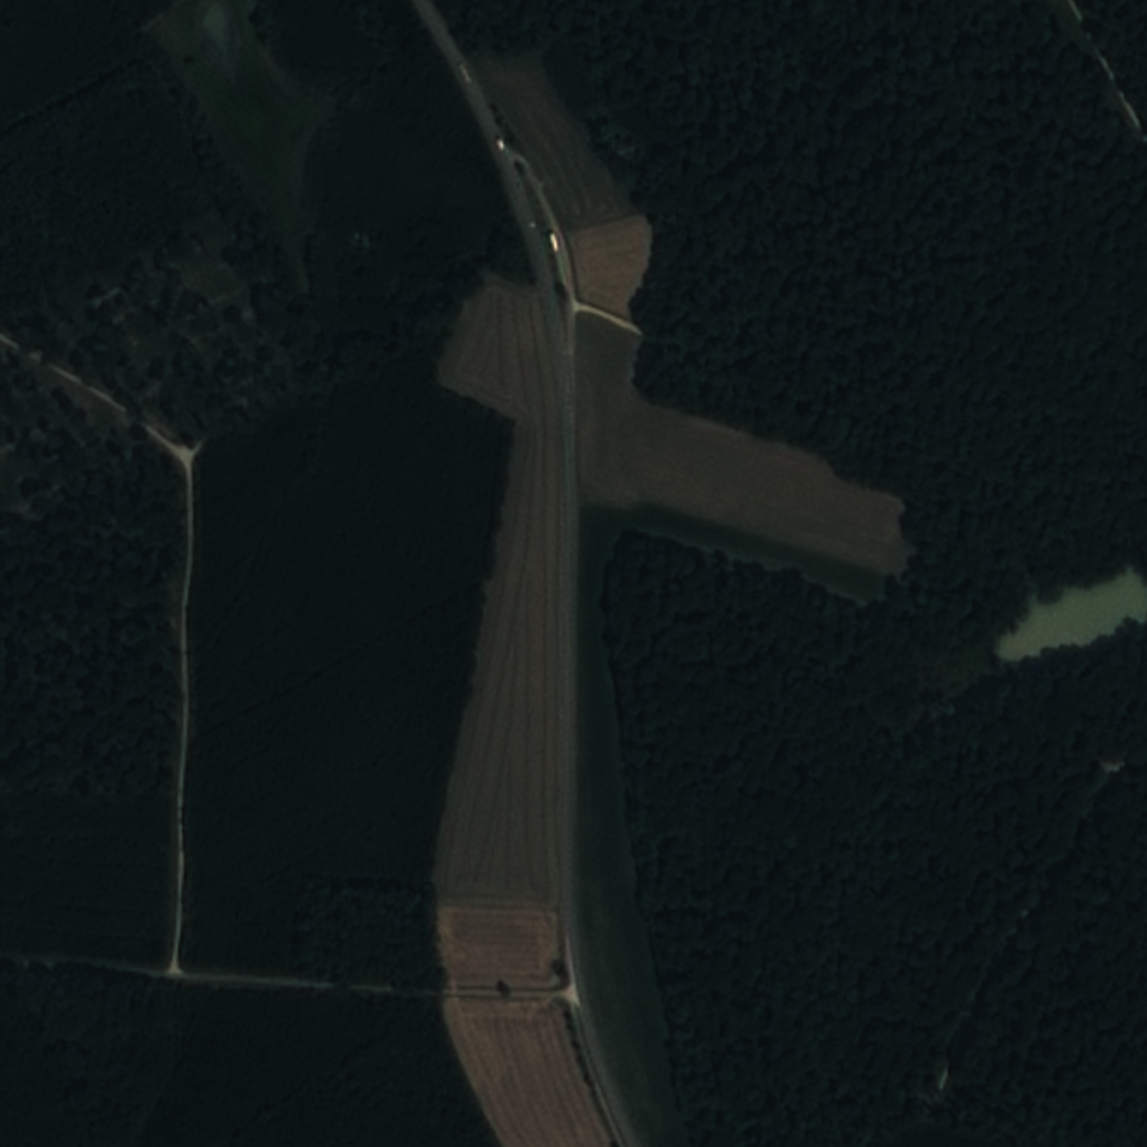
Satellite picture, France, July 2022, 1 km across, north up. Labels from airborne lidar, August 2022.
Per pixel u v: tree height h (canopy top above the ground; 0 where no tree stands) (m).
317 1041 7
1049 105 26
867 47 32
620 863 0
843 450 22
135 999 31
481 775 0
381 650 8
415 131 6
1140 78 21
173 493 28
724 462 0
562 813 0
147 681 27
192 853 8
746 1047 25
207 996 6
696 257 27
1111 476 20
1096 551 24
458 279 25
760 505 0
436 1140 12
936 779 25
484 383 0
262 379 0
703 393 24
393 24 22
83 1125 13
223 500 6
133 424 0
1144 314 26
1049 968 27
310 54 7
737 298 27
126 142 17
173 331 0
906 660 21
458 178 7
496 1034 0
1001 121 31
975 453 27
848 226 10
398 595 7
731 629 31
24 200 14
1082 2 26
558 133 0
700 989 32
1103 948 26
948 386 30
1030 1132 23
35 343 0
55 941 6
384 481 7
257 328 0
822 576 0
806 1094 28
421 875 9
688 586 32
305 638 6
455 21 7
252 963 9
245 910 8
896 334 27
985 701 25
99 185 16
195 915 6
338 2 7
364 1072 8
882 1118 25
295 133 0
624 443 0
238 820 8
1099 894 27
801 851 30
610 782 0
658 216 21
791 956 21
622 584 25
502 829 0
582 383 0
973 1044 28
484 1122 15
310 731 9
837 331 27
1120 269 22
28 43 6
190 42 0
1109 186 28
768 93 32
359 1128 10
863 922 29
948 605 31
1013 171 27
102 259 13
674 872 28
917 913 27
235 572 6
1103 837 28
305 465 6
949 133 31
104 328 0
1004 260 26
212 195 13
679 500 0
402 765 8
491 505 7
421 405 7
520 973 0
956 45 9
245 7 0
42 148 13
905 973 30
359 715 9
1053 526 23
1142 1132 31
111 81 13
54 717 25
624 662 21
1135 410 24
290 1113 7
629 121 7
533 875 0
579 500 0
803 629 26
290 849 6
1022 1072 28
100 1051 28
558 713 0
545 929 0
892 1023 26
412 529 7
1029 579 14
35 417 0
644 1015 0
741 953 29
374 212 8
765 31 25
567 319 0
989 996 27
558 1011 0
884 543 0
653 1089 0
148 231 13
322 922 25
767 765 29
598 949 0
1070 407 22
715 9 26
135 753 27
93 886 5
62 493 0
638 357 0
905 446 27
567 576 0
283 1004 7
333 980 25
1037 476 24
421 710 9
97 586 29
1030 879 28
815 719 27
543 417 0
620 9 29
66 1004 24
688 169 27
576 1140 0
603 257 0
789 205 31
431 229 15
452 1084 9
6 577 25
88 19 6
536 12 28
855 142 34
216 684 6
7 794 6
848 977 27
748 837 26
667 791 28
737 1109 25
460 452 8
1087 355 25
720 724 30
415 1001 10
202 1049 8
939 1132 7
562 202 0
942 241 27
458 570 8
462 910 0
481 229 9
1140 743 27
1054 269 28
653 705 26
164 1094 7
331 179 7
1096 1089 28
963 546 26
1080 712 26
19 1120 16
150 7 11
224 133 0
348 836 9
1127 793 27
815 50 13
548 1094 0
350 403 7
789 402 30
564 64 8
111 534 27
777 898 25
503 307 0
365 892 22
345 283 8
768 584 25
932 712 21
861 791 26
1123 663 24
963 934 10
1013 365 23
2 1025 15
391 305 11
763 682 26
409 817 9
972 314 25
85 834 6
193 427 0
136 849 7
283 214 0
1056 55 26
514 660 0
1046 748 28
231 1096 8
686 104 30
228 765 8
